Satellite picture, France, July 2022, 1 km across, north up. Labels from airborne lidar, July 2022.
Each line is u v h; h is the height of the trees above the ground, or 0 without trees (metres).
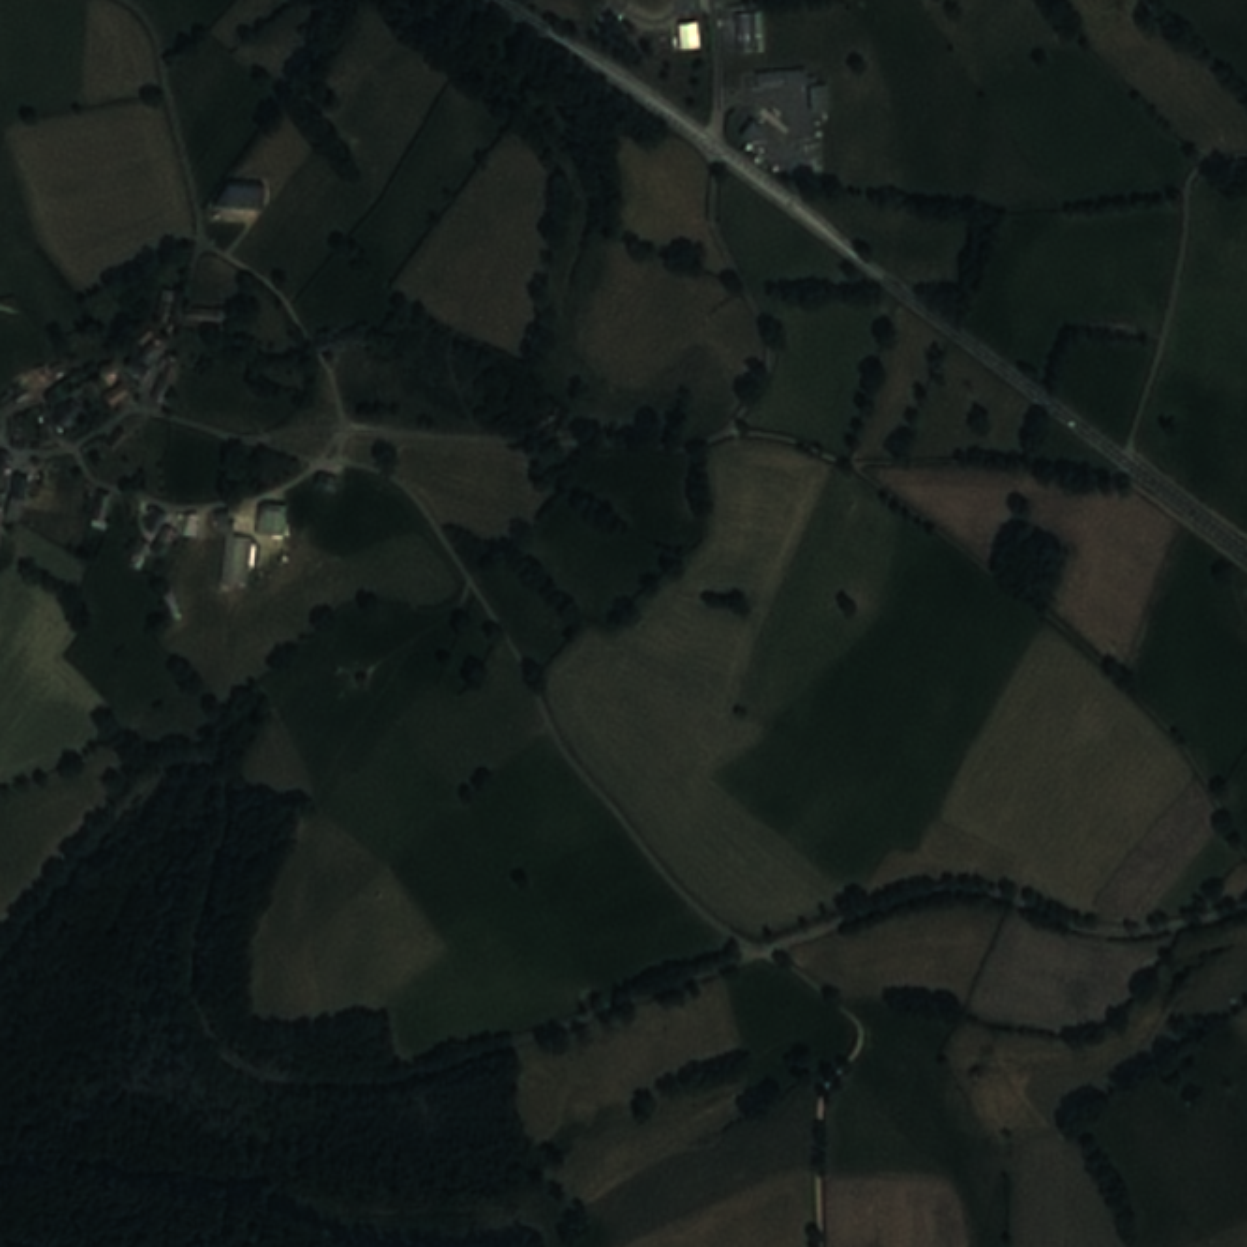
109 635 0
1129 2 0
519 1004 0
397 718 0
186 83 0
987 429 12
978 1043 0
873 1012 0
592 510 21
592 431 16
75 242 0
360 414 6
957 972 0
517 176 0
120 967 18
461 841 0
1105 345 10
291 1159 9
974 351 0
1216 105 0
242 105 0
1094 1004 0
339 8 23
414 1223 0
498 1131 21
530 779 0
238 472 20
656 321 0
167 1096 17
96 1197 19
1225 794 14
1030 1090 0
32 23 0
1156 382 0
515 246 0
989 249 15
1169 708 0
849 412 0
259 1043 15
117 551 0
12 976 24
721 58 0
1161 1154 0
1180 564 0
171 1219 30
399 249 0
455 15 21
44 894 15
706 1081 23
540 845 0
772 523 0
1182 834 0
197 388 0
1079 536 0
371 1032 16
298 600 0
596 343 0
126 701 0
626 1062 0
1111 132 0
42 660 0
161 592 12
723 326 0
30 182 0
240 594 0
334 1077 13
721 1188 0
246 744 7
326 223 0
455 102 0
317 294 0
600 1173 0
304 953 0
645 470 0
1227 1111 0
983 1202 0
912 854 0
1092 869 0
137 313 11
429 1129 20
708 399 0
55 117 0
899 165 0
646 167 0
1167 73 0
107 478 0
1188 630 0
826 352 0
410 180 0
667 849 0
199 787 32
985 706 0
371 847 0
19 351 0
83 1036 22
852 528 0
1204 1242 0
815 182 21
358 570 0
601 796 0
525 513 0
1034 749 0
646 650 0
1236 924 10
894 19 0
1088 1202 0
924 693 0
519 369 8
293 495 0
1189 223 0
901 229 0
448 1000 0
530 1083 0
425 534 0
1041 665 0
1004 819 0
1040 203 0
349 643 0
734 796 0
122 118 0
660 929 0
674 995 16
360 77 0
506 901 0
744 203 0
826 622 0
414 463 0
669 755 0
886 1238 0
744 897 0
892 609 0
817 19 0
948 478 0
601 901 0
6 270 0
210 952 20
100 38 0
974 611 0
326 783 0
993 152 0
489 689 0
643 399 0
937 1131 0
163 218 0
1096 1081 0
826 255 0
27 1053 22
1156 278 0
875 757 0
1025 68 0
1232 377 0
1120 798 0
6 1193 25
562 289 0
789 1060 10
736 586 0
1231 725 0
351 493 0
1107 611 0
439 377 0
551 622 0
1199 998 0
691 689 0
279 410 0
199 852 23
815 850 0
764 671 0
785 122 0
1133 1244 17
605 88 13
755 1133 0
